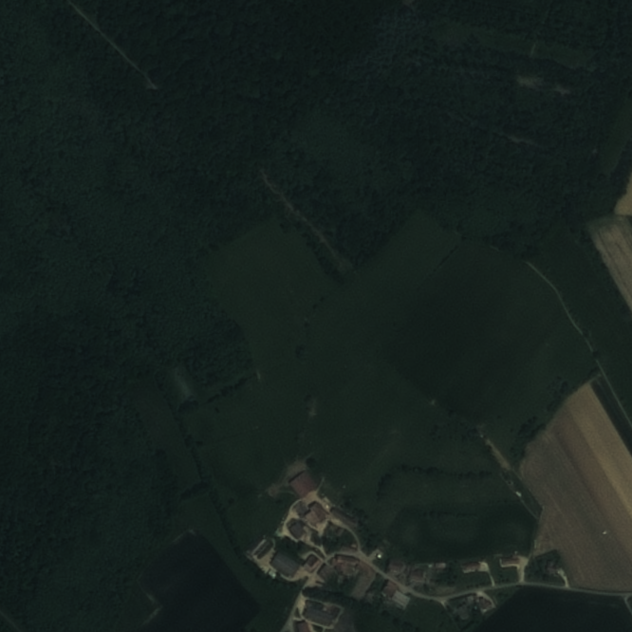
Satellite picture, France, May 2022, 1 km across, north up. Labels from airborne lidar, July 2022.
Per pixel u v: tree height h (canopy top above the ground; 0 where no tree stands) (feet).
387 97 101
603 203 79
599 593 0
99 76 71
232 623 0
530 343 0
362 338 0
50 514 99
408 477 0
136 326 63
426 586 24
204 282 83
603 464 0
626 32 93
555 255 0
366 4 25
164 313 104
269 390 0
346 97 104
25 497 79
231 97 95
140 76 70
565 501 0
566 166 109
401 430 0
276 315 0
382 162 65
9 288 81
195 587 0
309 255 0
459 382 0
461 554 0
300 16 52
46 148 83
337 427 0
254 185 79
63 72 44
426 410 0
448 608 22
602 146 79
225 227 78
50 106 54
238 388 35
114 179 55
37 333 80
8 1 76
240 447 0
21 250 87
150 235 96
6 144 89
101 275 96
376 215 84
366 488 0
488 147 80
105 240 96
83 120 38
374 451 0
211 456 0
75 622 69
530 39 75
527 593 0
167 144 65
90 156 90
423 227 0
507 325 0
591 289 0
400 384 0
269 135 54
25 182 74
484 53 90
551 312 0
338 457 0
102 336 83
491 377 0
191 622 0
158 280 95
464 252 0
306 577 0
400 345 0
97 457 86
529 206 56
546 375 0
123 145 67
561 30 36
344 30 50
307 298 0
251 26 87
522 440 29
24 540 67
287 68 98
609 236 0
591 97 86
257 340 0
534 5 44
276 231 0
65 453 79
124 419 55
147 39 90
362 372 0
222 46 89
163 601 0
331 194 82
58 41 83
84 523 71
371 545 37
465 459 0
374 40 74
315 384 0
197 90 60
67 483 85
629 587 0
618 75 87
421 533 0
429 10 28
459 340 0
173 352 83
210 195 88
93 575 81
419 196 51
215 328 101
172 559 0
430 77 49
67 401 61
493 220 74
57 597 76
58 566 75
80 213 85
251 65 94
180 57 84
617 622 0
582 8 48
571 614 0
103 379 71
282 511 0
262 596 0
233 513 0
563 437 0
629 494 0
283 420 0
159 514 89
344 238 83
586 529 0
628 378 0
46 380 88
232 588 0
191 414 49
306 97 85
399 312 0
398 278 0
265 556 0
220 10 97
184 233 83
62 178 72
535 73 60
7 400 59
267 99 88
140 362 82
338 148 80
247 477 0
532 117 90
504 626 0
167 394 65
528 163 99
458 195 62
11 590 69
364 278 0
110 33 92
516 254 62
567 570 0
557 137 79
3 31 83
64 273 90
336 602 55
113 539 47
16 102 84
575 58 0
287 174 88
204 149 73
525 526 0
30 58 83
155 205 77
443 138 77
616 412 0
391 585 0
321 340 0
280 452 0
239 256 0
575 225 112
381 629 0
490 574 0
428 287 0
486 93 66
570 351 0
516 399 0
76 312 68
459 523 0
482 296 0
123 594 78
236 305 0
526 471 0
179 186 81
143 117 91
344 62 75
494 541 0
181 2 75
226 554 0
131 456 65
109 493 65
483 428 0
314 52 77
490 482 0
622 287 0
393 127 99
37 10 73
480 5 33
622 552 0
